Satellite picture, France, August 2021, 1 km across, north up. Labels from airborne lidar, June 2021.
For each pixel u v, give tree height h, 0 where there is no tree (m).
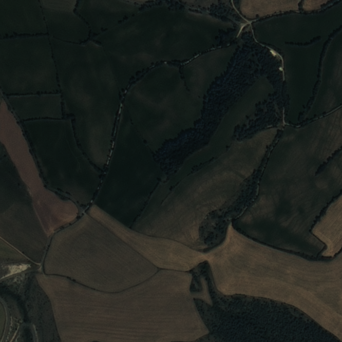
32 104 0
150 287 0
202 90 0
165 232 0
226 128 0
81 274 0
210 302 0
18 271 0
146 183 0
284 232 0
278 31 0
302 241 0
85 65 0
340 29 8
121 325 0
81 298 0
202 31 0
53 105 0
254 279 0
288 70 0
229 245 0
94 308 0
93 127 0
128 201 0
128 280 0
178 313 0
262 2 0
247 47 15
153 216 0
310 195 0
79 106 0
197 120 0
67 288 0
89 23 9
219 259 0
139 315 0
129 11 0
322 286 0
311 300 0
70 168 0
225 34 20
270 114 13
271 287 0
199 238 0
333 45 0
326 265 0
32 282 0
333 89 0
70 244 0
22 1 0
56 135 0
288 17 0
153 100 0
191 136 17
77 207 0
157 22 0
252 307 6
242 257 0
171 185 0
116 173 0
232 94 16
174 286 0
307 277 0
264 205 0
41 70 0
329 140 0
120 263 0
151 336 0
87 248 0
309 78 0
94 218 0
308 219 0
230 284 0
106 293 0
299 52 0
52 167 0
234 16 9
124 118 0
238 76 17
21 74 0
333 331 0
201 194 0
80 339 0
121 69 0
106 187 0
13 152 0
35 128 0
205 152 0
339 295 0
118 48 0
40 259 0
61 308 0
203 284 0
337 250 0
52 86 0
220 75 0
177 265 0
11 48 0
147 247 0
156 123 0
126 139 0
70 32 0
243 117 0
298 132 0
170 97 0
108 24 0
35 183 0
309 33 0
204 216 0
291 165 0
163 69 0
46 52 0
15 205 0
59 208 0
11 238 0
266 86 0
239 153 0
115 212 0
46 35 7
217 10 10
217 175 0
